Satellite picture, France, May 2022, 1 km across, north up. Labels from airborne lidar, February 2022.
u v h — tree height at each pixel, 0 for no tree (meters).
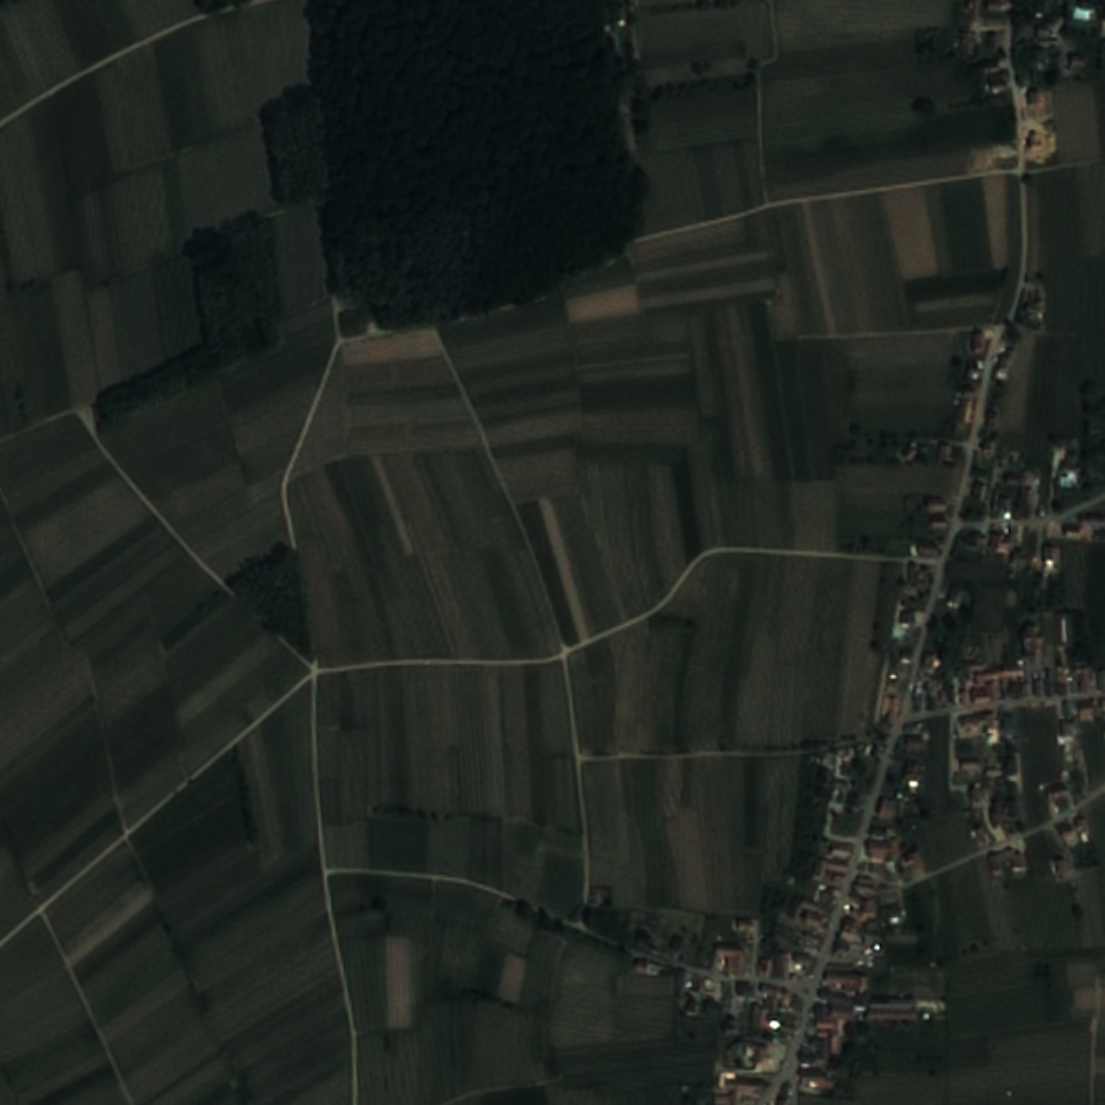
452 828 0
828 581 0
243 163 0
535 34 26
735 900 0
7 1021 0
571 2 22
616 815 0
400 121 31
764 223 0
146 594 0
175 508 0
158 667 0
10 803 0
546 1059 0
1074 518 0
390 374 0
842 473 0
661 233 0
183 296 0
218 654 0
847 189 0
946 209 0
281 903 0
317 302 0
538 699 0
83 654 0
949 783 0
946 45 0
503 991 0
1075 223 0
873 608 0
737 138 0
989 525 0
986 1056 0
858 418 0
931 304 0
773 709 0
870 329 0
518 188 28
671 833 0
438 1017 0
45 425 0
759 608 0
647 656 0
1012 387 0
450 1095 0
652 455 0
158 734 0
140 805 0
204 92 0
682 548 0
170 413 0
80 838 0
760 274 0
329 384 0
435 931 0
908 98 0
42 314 0
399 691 0
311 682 0
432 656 0
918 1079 0
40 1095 0
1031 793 0
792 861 0
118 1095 0
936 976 0
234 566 0
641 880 0
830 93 0
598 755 0
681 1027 0
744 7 0
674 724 0
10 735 0
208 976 0
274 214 0
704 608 0
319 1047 0
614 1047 0
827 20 0
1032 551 0
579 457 0
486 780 0
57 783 0
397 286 21
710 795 0
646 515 0
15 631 0
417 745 0
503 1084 0
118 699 0
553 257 24
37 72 0
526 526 0
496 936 0
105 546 0
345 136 31
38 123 0
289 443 0
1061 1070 0
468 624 0
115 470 0
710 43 0
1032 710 0
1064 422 0
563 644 0
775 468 0
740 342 0
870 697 0
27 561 0
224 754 0
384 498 0
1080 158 0
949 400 0
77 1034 0
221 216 0
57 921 0
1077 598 0
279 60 0
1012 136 0
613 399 0
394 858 0
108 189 0
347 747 0
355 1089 0
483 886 0
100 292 0
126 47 0
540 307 0
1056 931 0
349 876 0
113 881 0
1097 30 0
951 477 0
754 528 0
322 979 0
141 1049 0
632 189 21
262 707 0
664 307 0
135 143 0
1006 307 0
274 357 0
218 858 0
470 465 0
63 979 0
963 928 0
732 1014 0
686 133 0
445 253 27
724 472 0
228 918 0
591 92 29
